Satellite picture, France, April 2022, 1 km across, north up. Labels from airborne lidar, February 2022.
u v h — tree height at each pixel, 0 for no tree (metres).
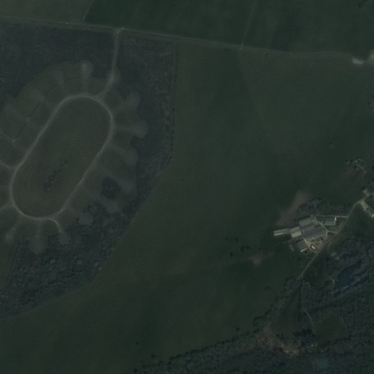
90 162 0
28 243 0
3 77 7
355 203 0
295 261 0
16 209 0
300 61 0
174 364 19
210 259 0
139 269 0
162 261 0
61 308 0
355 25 0
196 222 0
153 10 0
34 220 0
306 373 18
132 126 0
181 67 0
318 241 0
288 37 0
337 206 17
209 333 0
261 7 0
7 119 0
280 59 0
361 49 0
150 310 0
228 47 0
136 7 0
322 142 0
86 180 0
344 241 0
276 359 24
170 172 0
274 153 0
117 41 0
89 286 0
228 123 0
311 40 0
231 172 0
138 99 0
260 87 0
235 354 10
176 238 0
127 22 0
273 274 0
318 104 0
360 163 11
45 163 0
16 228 0
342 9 0
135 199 0
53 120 0
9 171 0
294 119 0
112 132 0
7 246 0
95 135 0
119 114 0
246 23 0
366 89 0
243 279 0
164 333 0
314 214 17
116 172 0
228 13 0
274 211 0
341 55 0
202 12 0
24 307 11
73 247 12
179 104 0
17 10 0
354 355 19
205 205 0
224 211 0
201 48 0
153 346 0
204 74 0
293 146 0
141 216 0
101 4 0
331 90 0
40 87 0
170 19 0
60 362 0
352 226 0
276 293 0
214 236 0
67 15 0
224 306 0
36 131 0
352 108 0
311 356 16
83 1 0
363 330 16
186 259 0
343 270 0
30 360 0
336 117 0
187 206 0
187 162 0
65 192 0
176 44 0
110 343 0
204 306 0
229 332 0
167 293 0
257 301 0
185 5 0
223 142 0
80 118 0
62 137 0
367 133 0
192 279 0
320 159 0
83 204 0
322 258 0
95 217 6
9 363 0
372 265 9
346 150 0
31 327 0
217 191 0
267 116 0
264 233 0
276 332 0
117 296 0
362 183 0
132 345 0
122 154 0
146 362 0
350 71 0
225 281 0
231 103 0
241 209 0
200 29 0
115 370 0
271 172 0
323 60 0
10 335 0
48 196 0
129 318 0
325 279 0
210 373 25
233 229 0
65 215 0
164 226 0
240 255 0
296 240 0
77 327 0
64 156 0
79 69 0
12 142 0
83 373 0
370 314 19
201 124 0
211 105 0
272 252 0
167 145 0
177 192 0
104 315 0
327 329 0
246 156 0
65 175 0
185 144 0
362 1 0
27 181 0
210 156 0
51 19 0
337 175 0
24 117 0
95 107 0
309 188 0
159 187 0
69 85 0
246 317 0
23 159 0
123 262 0
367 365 23
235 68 0
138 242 0
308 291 14
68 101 0
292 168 0
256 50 0
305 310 16
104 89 0
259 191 0
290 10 0
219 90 0
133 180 0
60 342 0
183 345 0
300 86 0
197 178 0
